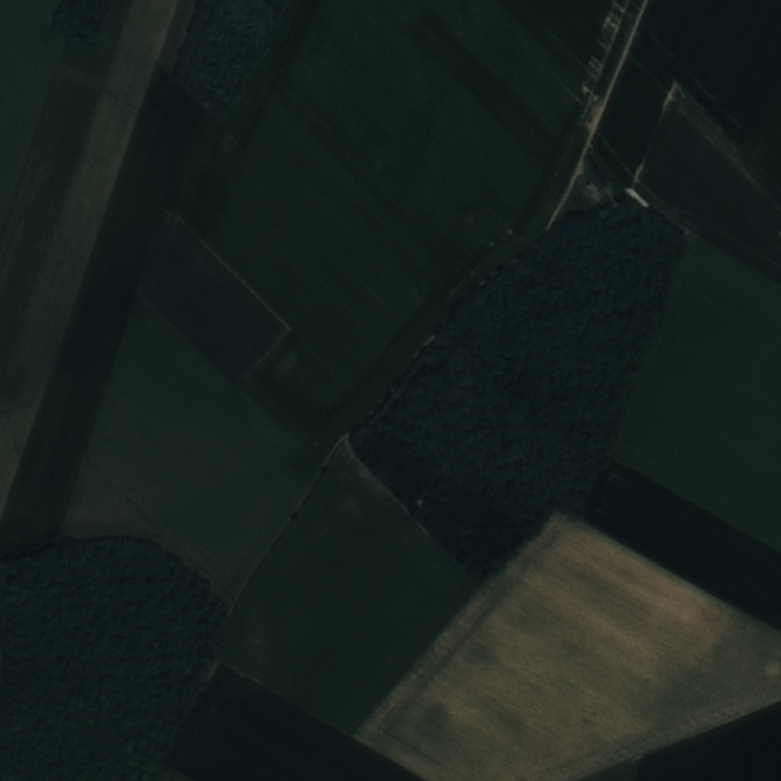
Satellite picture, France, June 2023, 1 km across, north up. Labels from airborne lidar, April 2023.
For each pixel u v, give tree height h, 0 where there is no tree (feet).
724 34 0
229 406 0
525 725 0
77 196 0
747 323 0
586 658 0
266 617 0
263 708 0
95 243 0
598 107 0
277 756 0
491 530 27
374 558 0
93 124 0
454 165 0
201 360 0
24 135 0
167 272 0
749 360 0
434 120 0
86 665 37
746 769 0
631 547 0
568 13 0
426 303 0
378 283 0
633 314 73
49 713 47
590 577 0
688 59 0
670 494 0
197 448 0
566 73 0
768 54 0
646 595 0
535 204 0
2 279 0
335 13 0
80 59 0
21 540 0
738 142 0
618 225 61
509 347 63
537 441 73
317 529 0
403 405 53
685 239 48
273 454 0
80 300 0
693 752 0
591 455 51
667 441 0
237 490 0
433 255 0
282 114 0
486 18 0
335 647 0
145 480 0
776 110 0
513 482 79
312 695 0
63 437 0
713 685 0
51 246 0
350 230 0
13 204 0
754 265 0
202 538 0
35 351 0
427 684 0
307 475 0
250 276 0
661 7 0
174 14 0
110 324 0
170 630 35
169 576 32
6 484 0
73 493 0
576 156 0
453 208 0
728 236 0
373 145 0
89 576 36
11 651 39
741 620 0
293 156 0
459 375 68
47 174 0
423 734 0
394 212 0
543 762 0
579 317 80
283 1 37
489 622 0
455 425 61
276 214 0
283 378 0
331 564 0
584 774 0
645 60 0
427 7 0
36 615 32
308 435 0
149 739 45
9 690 65
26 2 0
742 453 0
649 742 0
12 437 0
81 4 42
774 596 0
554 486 52
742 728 0
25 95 0
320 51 0
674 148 0
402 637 0
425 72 0
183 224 0
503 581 0
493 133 0
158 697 46
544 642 0
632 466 0
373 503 0
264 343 0
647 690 0
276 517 0
